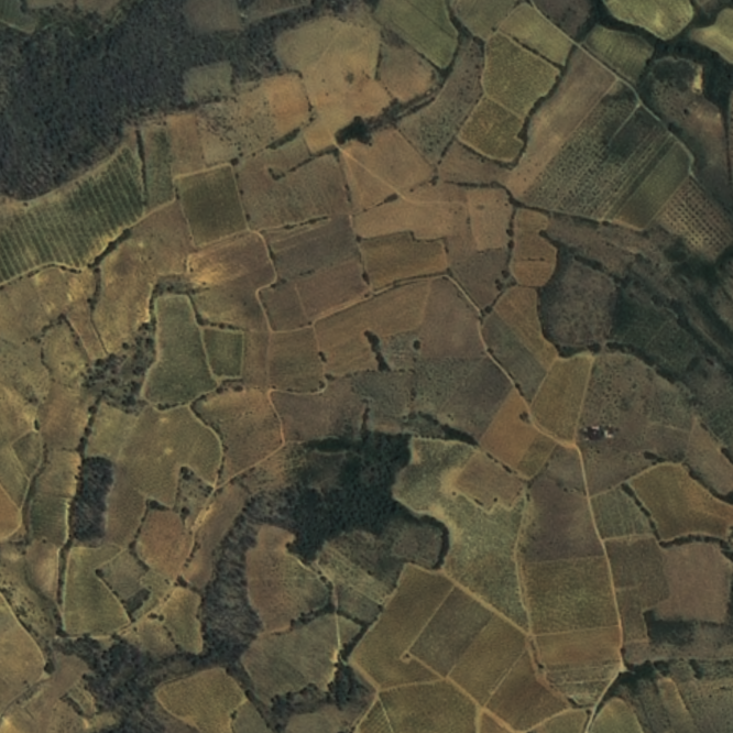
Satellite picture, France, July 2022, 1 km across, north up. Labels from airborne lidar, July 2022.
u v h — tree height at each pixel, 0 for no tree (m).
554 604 0
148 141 0
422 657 0
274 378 0
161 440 0
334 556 0
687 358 0
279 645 0
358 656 0
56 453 0
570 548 0
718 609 0
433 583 0
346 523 9
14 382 0
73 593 0
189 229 0
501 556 0
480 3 0
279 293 0
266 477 0
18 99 7
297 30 0
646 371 0
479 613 0
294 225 0
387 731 0
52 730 0
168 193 0
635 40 0
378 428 0
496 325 0
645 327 0
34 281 0
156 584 0
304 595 0
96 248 0
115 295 0
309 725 0
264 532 0
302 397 0
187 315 0
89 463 11
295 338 0
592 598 0
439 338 0
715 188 0
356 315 0
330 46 0
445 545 7
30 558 0
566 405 0
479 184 0
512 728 0
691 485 0
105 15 0
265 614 0
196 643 0
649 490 0
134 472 0
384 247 0
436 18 0
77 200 0
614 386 0
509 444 0
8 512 0
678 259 0
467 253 0
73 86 8
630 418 0
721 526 0
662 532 0
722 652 0
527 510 0
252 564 0
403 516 10
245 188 0
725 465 0
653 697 0
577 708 0
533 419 0
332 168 0
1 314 0
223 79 0
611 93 0
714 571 0
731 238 0
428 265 0
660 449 0
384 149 0
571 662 0
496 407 0
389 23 0
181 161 0
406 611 0
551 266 0
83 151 0
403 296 0
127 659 15
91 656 10
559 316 0
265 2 0
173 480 0
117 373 9
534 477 0
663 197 0
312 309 0
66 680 0
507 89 0
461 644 0
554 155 0
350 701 11
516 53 0
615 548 0
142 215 0
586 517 0
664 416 0
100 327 0
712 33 0
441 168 0
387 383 0
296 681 0
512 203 6
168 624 0
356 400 0
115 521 0
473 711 0
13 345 0
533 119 0
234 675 15
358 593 0
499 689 0
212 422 0
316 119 0
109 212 0
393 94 0
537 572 0
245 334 0
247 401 0
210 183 0
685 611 0
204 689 0
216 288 0
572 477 0
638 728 0
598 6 6
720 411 0
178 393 0
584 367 0
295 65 0
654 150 0
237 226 0
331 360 0
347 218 0
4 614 0
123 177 0
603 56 0
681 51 11
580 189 0
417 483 0
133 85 7
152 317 0
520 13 0
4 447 0
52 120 7
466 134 0
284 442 0
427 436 0
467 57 0
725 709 0
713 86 7
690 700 0
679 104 0
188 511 13
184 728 0
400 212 0
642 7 0
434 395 0
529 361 0
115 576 0
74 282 0
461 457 0
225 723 0
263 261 0
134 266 0
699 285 0
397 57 0
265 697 0
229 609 11
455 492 0
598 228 0
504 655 0
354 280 0
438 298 0
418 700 0
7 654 0
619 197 0
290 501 9
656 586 0
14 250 0
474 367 0
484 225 0
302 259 0
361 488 10
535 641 0
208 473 0
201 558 0
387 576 0
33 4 0
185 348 0
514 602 0
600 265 7
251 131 0
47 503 0
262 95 0
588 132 0
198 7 0
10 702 0
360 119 6
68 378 0
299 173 0
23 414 0
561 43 0
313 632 0
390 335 0
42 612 0
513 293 0
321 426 0
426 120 0
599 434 0
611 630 0
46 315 0
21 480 0
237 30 0
